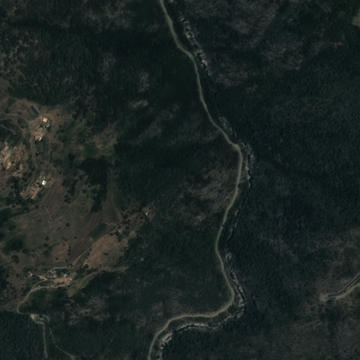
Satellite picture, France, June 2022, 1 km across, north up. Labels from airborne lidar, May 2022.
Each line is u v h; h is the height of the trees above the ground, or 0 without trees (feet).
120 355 31
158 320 20
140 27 18
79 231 0
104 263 0
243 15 23
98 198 25
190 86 45
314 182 37
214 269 19
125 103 33
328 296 0
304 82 24
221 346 44
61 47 44
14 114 0
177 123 36
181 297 20
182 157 49
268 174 27
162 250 47
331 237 23
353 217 58
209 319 35
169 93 34
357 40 28
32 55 28
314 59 46
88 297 29
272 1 28
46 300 0
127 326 25
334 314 42
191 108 40
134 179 33
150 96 26
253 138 58
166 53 21
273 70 21
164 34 23
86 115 39
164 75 31
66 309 18
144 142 26
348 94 22
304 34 38
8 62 26
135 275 27
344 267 35
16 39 37
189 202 41
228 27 31
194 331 23
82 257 0
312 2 20
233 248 69
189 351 34
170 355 53
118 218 0
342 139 37
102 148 0
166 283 31
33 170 30
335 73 35
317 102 30
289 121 29
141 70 28
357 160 21
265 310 29
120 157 32
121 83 40
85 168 39
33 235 0
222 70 21
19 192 37
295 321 23
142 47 53
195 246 54
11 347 63
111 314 33
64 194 0
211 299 26
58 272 18
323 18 31
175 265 21
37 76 42
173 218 30
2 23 0
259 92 27
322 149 27
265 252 27
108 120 30
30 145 0
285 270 25
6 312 32
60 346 26
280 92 22
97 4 45
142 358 31
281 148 29
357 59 39
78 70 44
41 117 0
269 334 24
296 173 35
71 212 0
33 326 27
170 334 0
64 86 33
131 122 26
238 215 33
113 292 24
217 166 25
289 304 40
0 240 29
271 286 46
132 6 22
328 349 23
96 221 0
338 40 31
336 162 29
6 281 33
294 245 30
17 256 37
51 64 29
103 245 0
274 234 22
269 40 35
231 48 36
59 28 41
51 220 0
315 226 21
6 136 23
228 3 21
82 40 40
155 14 28
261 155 38
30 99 30
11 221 0
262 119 42
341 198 42
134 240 29
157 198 20
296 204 27
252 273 26
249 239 31
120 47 47
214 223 38
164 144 25
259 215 18
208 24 20
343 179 40
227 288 29
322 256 28
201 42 26
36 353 51
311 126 50
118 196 0
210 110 33
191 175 22
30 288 25
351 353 19
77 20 28
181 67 40
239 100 35
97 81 34
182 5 35
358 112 35
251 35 28
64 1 34
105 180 34
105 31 43
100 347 20
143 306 37
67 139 19
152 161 41
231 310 32
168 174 39
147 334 28
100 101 31
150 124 31
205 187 28
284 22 28
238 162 25
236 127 45
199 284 26
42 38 32
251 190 31
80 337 33
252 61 43
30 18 29
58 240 0
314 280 24
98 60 69
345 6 44
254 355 19
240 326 26
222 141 35
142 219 31
